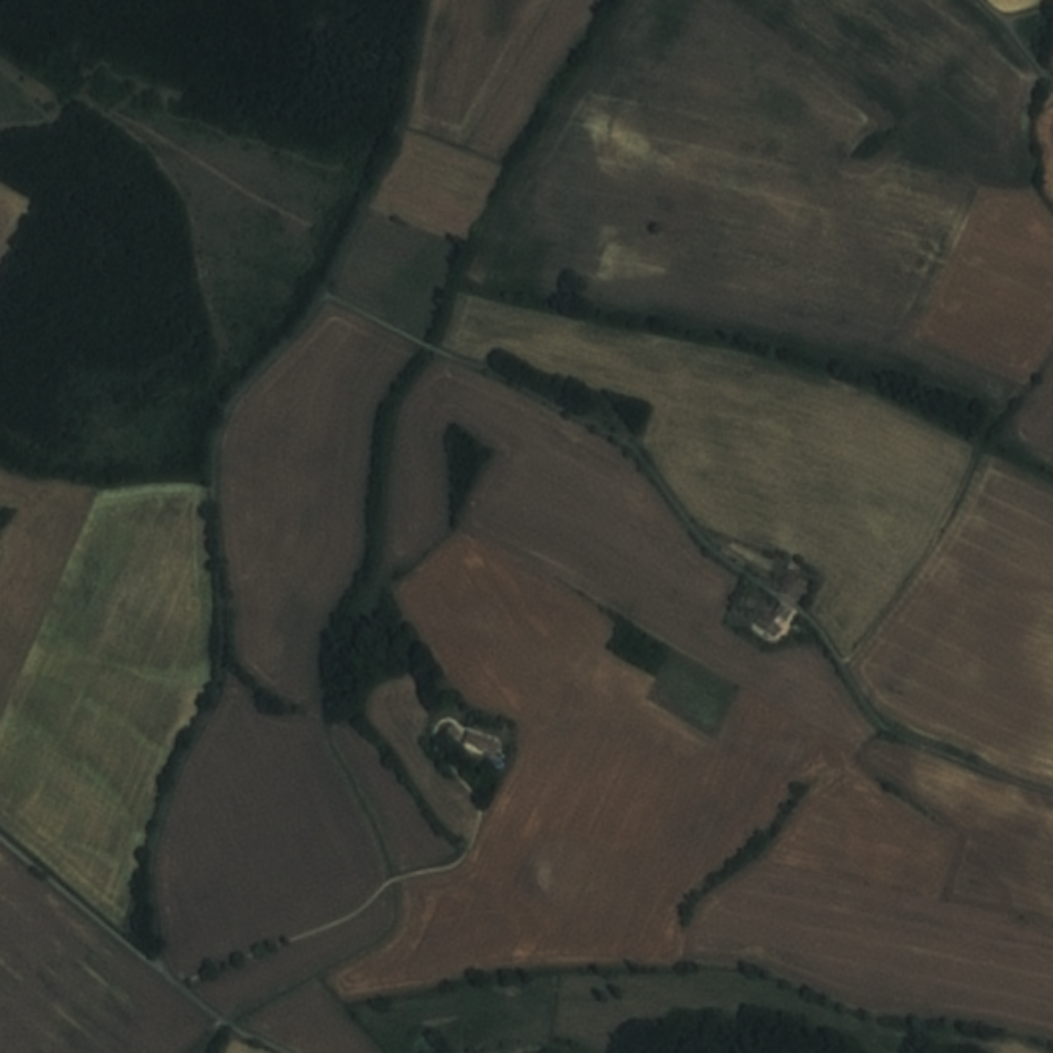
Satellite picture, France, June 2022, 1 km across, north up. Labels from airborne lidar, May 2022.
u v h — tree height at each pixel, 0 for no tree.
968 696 0
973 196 0
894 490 0
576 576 0
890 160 0
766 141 0
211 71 8
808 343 0
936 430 0
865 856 0
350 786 0
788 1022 20
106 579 0
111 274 17
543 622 0
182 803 0
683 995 0
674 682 0
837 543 0
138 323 16
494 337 0
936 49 0
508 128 0
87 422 8
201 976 13
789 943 0
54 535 0
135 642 0
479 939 0
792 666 0
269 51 10
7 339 15
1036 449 0
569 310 29
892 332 0
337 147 9
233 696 0
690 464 0
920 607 0
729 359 0
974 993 0
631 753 0
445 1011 0
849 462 0
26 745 0
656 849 0
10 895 0
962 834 0
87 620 0
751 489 0
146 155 14
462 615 0
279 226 0
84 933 0
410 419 0
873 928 0
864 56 0
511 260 0
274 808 0
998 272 0
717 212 0
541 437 0
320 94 14
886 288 0
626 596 0
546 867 0
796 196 0
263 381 0
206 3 10
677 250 0
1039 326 0
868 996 0
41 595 0
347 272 0
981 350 0
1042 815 0
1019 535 0
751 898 0
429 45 0
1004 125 0
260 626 0
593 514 0
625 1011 0
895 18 0
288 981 0
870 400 0
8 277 16
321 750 0
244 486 0
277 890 0
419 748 6
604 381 0
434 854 0
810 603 11
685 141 0
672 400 0
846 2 0
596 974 22
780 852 0
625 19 0
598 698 0
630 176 0
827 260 0
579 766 0
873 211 0
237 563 0
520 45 0
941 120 0
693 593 0
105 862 0
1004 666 0
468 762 12
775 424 0
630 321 7
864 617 0
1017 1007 0
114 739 0
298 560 0
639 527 0
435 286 0
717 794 0
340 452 0
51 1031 0
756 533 0
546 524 0
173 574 0
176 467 6
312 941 0
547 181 0
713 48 0
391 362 0
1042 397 0
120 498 0
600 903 0
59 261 18
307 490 0
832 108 0
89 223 18
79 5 7
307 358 0
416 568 0
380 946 0
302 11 9
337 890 0
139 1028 0
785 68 0
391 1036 0
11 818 0
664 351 0
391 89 17
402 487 0
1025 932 0
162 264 18
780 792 0
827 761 0
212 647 8
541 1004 0
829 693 0
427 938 0
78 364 13
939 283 0
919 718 0
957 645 0
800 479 0
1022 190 0
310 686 0
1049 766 0
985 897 0
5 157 16
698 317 0
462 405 0
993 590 0
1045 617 0
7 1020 0
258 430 0
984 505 0
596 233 0
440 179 0
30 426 15
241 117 8
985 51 0
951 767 0
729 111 0
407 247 0
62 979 0
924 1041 28
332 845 0
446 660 0
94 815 0
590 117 0
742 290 0
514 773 0
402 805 0
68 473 8
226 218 0
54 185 18
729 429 0
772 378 0
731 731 0
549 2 0
